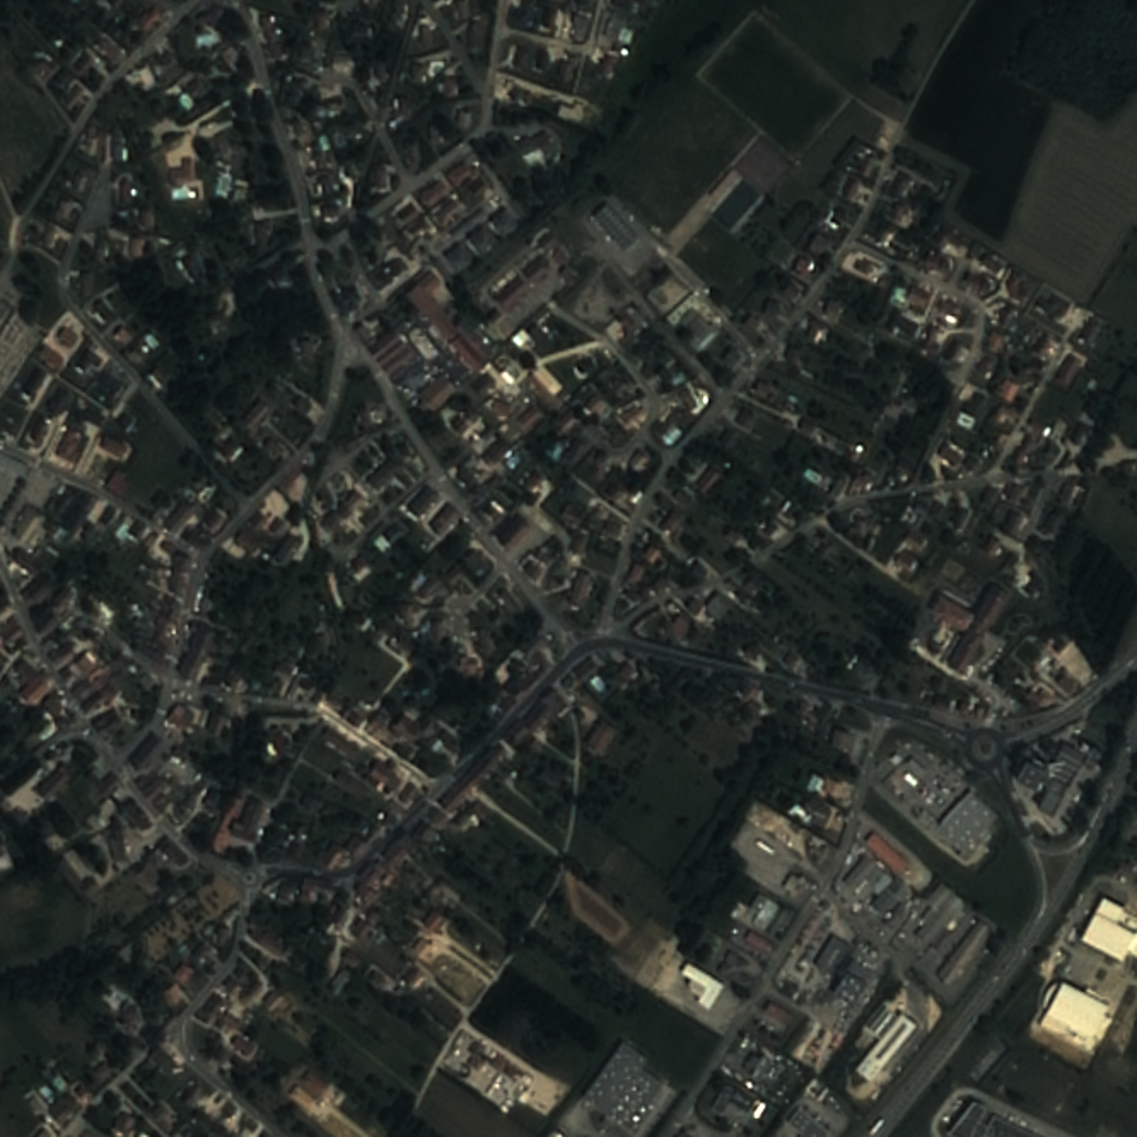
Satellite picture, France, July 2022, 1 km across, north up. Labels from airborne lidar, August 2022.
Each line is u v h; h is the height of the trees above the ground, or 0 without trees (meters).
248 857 17
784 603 14
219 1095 0
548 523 0
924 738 0
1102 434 14
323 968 9
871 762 0
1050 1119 0
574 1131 0
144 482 0
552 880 6
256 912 11
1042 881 0
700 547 7
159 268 19
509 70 0
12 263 0
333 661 6
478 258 8
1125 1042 0
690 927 11
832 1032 0
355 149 10
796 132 0
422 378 0
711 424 0
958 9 0
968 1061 0
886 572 0
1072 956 0
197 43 0
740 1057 0
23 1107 0
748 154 0
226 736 9
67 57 6
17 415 0
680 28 0
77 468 0
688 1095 6
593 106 0
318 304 21
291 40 9
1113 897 0
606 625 0
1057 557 8
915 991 0
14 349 0
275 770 8
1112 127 0
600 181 12
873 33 0
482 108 0
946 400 11
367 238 25
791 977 0
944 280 0
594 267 0
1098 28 7
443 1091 0
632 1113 0
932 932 0
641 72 0
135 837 0
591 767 7
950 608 0
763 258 7
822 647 14
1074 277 0
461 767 0
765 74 0
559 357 0
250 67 18
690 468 8
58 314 0
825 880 0
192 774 0
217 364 12
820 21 0
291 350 7
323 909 9
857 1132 0
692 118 0
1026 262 0
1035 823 0
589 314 0
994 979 0
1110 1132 0
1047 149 0
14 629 0
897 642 21
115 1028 15
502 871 9
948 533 8
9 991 15
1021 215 0
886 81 14
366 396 0
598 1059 0
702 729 0
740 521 7
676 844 0
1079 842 0
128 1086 6
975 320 0
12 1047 0
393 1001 15
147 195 6
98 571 13
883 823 0
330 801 0
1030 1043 0
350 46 15
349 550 0
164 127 0
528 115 10
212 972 6
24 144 0
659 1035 0
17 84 0
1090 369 5
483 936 0
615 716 7
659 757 0
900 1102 0
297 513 13
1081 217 0
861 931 0
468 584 0
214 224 7
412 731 0
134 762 0
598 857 0
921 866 0
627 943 0
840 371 6
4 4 8
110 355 0
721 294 10
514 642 13
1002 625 0
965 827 0
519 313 0
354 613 10
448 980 0
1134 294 0
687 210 0
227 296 0
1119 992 0
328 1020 0
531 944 14
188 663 0
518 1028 0
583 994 8
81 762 10
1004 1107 0
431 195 0
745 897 0
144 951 10
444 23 0
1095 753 0
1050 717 0
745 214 0
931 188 6
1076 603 8
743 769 15
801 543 13
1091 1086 0
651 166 0
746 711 8
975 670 0
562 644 0
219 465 7
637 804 7
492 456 0
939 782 0
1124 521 0
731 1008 0
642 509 0
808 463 5
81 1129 0
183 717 0
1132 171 0
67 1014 14
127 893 0
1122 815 10
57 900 0
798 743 8
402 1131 18
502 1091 0
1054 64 6
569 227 0
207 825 10
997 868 0
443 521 0
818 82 0
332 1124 0
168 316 14
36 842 20
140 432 0
